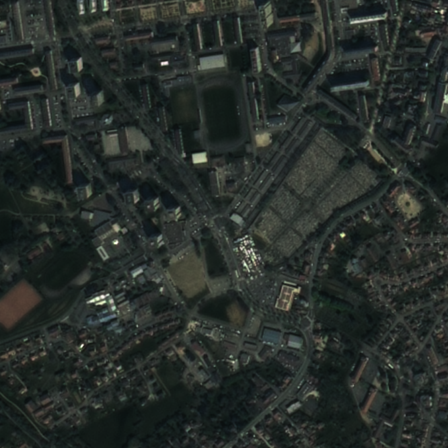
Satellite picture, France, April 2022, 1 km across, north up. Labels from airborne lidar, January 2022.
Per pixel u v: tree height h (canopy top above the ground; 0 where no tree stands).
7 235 0
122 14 0
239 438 0
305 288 0
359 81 0
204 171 0
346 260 17
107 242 0
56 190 19
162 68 9
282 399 0
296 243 0
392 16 0
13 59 0
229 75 0
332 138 0
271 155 9
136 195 0
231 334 0
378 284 0
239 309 0
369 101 20
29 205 0
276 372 7
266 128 0
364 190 0
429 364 0
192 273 0
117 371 0
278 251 0
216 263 0
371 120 13
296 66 0
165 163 20
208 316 0
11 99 0
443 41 12
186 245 0
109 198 14
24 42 0
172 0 0
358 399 0
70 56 0
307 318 0
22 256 14
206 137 0
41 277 0
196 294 0
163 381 0
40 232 0
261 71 0
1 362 0
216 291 0
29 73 12
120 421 0
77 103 0
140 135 0
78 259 0
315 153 0
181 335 0
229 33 0
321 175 0
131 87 0
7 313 0
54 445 10
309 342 0
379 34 0
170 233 0
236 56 0
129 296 12
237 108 0
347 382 0
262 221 0
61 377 7
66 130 0
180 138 0
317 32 0
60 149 9
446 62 0
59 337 0
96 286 9
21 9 0
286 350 0
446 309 0
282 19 0
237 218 0
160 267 0
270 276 0
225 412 12
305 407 0
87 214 0
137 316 0
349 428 0
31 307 0
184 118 0
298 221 0
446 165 0
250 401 0
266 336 0
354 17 0
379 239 0
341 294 0
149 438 11
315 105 0
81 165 12
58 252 0
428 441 0
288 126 0
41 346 0
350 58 0
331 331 6
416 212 0
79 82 0
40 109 0
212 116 0
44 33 0
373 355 10
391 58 10
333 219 8
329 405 13
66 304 0
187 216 9
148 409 0
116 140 0
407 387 7
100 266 0
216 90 0
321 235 7
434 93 10
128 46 0
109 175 13
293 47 0
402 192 0
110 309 0
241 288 0
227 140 0
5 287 13
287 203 0
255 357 0
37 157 22
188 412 0
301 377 0
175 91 0
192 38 6
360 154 15
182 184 12
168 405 0
